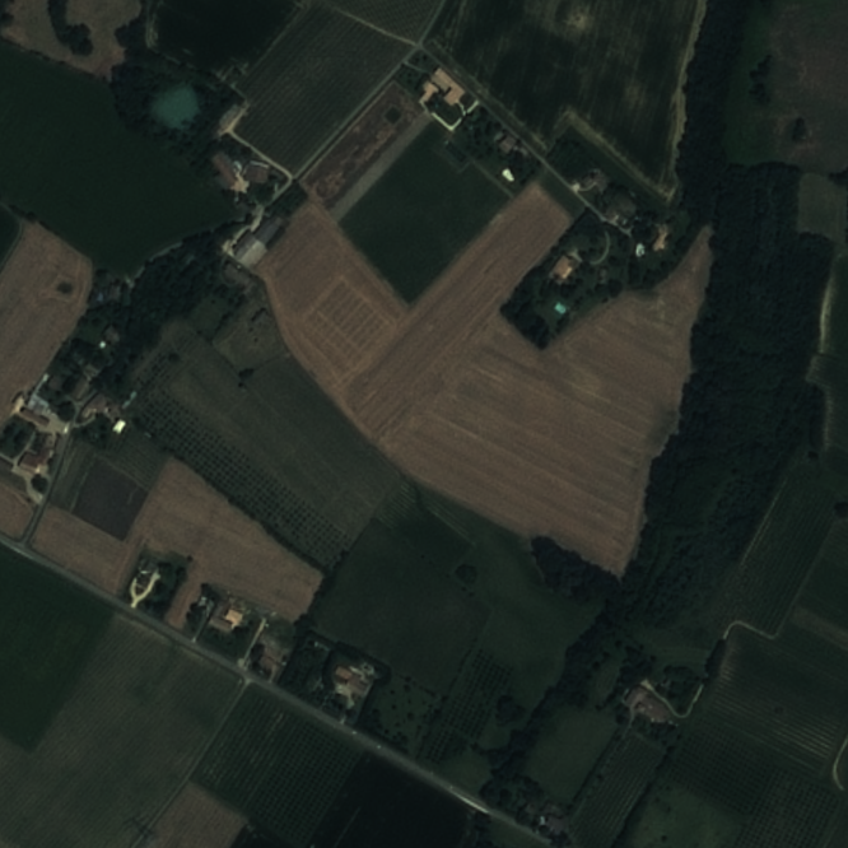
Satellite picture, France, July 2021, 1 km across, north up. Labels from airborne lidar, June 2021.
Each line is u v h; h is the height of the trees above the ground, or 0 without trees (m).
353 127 0
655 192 0
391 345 0
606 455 0
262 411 0
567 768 0
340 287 0
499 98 0
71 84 0
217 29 0
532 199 0
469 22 0
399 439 0
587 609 0
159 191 0
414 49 0
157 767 0
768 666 0
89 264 0
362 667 0
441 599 0
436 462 0
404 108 0
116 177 0
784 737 0
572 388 0
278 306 0
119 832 0
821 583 0
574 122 0
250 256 0
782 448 10
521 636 0
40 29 0
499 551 0
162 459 0
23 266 0
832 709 0
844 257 0
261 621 0
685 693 10
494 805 7
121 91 20
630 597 9
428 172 0
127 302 8
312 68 0
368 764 0
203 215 0
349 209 0
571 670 10
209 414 0
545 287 6
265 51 0
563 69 0
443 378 0
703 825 0
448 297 0
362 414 0
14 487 0
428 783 0
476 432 0
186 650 0
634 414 0
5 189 0
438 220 0
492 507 0
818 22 0
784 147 0
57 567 0
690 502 9
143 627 0
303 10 0
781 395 11
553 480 0
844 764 0
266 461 0
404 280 0
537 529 0
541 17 0
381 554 0
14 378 0
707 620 0
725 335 14
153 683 0
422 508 0
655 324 0
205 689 0
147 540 0
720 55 23
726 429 29
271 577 0
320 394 0
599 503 0
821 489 0
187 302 9
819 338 15
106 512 0
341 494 0
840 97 0
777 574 0
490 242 0
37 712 0
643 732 7
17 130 0
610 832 0
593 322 0
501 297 0
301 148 0
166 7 0
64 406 9
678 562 7
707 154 24
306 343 0
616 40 0
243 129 0
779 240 12
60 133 0
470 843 0
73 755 0
